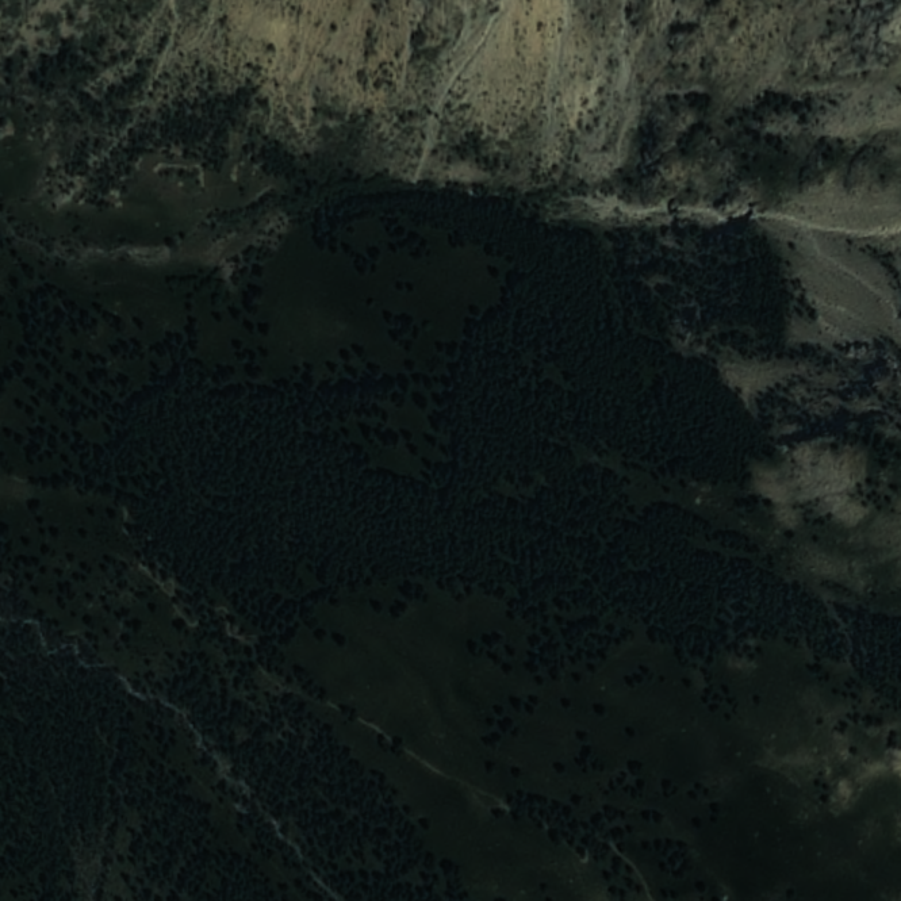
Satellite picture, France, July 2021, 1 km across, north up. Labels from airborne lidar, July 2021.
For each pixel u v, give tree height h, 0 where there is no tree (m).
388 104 0
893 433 0
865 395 9
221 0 0
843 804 0
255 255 9
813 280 0
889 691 10
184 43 0
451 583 14
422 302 0
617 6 0
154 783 18
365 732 0
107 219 0
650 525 18
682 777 0
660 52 0
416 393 0
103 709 7
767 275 16
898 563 0
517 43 0
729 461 25
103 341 0
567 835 15
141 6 0
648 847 15
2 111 0
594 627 19
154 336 0
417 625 0
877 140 0
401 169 0
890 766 0
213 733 15
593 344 22
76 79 0
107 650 0
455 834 0
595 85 0
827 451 0
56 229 0
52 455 16
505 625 0
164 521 19
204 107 9
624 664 0
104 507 0
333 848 18
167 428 21
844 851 0
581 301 21
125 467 22
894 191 0
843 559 0
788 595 20
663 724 0
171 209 0
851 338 0
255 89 9
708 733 0
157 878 18
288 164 11
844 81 0
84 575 10
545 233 24
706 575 17
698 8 0
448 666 0
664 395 25
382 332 0
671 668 0
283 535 14
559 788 0
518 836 0
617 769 0
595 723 0
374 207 18
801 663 0
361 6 0
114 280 0
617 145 0
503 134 0
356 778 20
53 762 18
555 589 19
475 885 0
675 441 18
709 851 0
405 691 0
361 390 15
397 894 20
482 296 0
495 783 0
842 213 0
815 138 0
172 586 0
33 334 23
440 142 0
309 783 20
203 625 10
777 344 10
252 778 8
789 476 0
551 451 20
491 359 17
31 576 16
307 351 0
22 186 0
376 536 18
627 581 26
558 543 24
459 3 0
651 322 20
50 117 0
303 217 8
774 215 0
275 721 14
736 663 0
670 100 10
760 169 0
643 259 9
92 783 20
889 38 0
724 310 11
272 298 0
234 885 18
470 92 0
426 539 22
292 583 22
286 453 18
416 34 6
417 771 0
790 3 0
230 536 21
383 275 0
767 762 0
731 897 0
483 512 25
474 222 26
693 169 0
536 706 13
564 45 0
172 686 13
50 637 8
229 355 0
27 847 18
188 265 0
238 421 23
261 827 18
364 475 20
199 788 0
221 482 20
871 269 0
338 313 0
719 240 10
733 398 18
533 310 18
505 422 21
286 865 8
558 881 0
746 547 11
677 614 21
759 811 0
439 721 0
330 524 17
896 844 0
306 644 0
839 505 0
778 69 0
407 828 19
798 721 0
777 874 0
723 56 0
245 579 20
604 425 13
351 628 0
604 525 18
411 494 21
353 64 0
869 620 15
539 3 0
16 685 16
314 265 0
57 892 15
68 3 0
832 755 0
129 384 21
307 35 0
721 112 0
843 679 0
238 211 6
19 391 0
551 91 0
